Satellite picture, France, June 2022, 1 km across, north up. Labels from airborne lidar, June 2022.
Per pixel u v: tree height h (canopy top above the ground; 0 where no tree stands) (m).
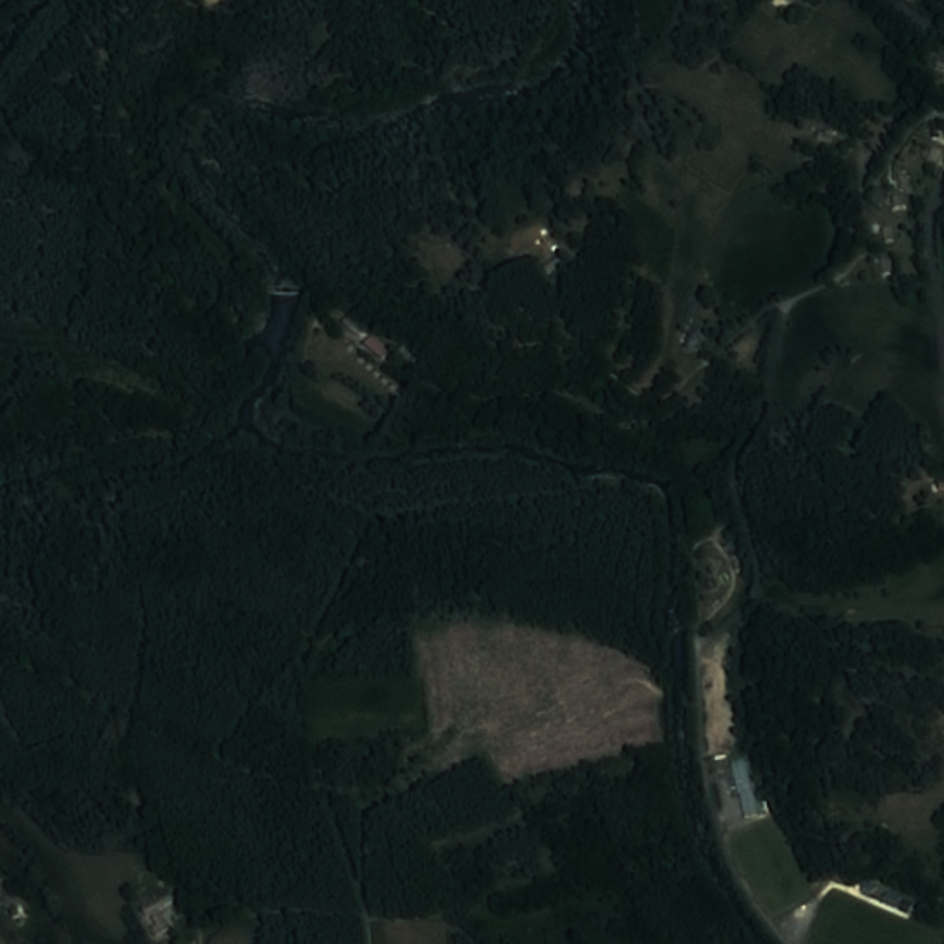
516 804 19
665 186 0
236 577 19
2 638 15
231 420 14
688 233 0
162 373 21
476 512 17
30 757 21
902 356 0
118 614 19
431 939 0
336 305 11
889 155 16
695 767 13
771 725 17
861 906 0
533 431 15
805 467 20
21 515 22
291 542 16
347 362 0
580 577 13
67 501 9
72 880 0
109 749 22
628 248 21
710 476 21
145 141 27
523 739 0
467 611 24
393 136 21
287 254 12
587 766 15
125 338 25
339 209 20
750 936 12
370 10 8
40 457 24
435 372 25
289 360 21
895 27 19
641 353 16
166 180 23
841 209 20
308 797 27
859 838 17
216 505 21
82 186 25
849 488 25
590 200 14
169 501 20
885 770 18
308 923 22
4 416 16
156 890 0
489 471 13
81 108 20
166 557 21
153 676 22
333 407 0
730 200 0
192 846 28
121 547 22
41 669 17
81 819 9
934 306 0
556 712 0
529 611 17
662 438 18
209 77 10
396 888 22
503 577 14
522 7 29
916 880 11
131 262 12
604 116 21
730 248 0
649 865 10
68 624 22
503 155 27
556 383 17
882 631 25
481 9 32
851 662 21
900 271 14
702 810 14
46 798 18
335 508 23
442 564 21
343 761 20
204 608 22
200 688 25
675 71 0
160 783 19
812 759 15
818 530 19
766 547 27
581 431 14
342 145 19
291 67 7
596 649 0
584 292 22
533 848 19
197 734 18
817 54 0
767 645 18
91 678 15
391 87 17
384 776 16
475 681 0
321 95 26
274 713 25
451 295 13
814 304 0
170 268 14
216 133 21
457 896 19
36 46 26
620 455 14
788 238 0
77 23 18
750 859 0
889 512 22
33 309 23
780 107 18
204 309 10
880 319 0
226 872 24
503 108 20
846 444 7
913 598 0
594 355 20
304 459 19
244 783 18
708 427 10
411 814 27
